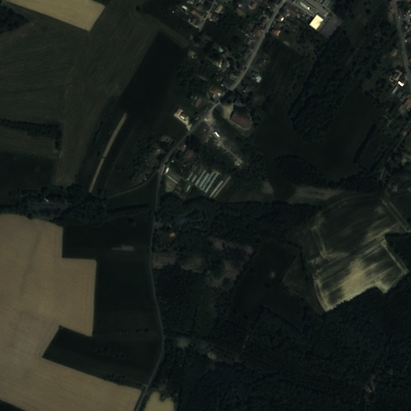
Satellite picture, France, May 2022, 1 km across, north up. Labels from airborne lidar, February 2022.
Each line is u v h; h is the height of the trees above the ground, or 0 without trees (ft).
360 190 47
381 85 27
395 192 0
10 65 0
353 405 75
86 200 56
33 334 0
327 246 0
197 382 50
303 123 74
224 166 33
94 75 0
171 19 0
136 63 0
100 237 0
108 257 0
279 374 48
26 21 42
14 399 0
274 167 0
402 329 42
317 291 0
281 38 0
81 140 0
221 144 0
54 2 0
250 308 0
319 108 92
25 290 0
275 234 80
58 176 0
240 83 0
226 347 53
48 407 0
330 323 78
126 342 0
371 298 73
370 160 0
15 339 0
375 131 53
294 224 56
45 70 0
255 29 0
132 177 22
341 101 59
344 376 74
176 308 23
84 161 0
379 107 52
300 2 0
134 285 0
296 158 49
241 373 87
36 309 0
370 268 0
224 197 0
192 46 0
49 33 0
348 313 73
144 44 0
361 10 0
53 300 0
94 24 0
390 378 54
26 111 0
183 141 0
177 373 43
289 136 0
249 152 18
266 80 0
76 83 0
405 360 87
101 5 0
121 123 0
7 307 0
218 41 23
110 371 0
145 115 0
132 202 0
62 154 0
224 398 71
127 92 0
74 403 0
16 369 0
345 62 0
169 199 73
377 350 45
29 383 0
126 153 0
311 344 43
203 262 0
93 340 0
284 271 0
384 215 0
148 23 0
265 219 84
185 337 59
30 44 0
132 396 0
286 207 54
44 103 0
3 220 0
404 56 0
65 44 0
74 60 0
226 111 0
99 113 0
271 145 0
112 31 0
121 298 0
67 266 0
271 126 0
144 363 0
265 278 0
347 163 0
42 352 0
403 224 0
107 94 0
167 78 0
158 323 0
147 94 0
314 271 0
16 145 0
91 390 0
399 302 30
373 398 66
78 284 0
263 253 0
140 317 0
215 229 47
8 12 30
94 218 71
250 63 0
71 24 0
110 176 0
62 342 0
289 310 0
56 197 50
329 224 0
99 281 0
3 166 0
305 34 24
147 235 0
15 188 0
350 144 0
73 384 0
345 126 0
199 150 21
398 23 0
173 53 0
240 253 67
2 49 0
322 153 0
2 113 0
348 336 73
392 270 0
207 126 0
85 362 0
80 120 0
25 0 0
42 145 0
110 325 0
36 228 0
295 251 0
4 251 0
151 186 0
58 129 37
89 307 0
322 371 74
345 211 0
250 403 90
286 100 21
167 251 24
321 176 38
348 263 0
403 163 0
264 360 26
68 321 0
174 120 0
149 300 0
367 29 31
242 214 63
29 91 0
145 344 0
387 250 0
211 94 0
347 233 0
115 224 0
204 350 0
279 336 58
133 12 0
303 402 78
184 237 56
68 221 61
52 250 0
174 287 46
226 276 0
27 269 0
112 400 0
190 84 23
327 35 0
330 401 70
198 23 0
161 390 0
